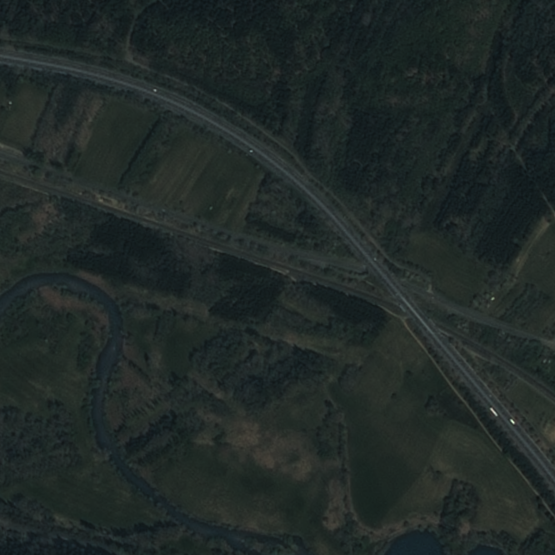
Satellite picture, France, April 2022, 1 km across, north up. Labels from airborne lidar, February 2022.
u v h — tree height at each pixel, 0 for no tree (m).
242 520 0
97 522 0
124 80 0
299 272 0
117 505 0
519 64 12
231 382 20
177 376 0
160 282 14
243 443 0
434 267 0
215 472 0
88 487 0
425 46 11
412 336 0
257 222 8
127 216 0
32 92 0
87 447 0
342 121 15
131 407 0
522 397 0
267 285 10
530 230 16
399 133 16
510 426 0
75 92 14
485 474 0
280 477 0
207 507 0
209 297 18
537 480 11
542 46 13
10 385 0
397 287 0
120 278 15
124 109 0
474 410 10
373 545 0
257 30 11
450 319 9
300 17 11
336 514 0
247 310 9
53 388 0
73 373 0
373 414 0
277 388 28
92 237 14
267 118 9
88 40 14
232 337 19
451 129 14
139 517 0
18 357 0
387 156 17
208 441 0
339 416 17
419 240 0
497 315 0
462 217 19
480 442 0
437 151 14
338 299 16
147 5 9
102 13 19
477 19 12
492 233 21
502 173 16
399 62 13
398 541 0
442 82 12
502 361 0
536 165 22
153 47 9
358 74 12
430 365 0
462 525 12
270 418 0
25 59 0
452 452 0
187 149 0
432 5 10
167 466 0
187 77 14
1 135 0
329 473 0
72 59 11
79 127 9
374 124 21
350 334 18
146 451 19
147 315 18
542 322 0
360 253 0
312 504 0
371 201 23
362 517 0
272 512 0
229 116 10
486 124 13
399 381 0
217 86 15
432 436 0
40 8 18
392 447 0
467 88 13
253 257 0
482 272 0
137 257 14
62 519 0
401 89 12
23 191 0
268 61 8
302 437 0
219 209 0
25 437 12
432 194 10
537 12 11
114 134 0
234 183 0
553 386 7
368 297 0
